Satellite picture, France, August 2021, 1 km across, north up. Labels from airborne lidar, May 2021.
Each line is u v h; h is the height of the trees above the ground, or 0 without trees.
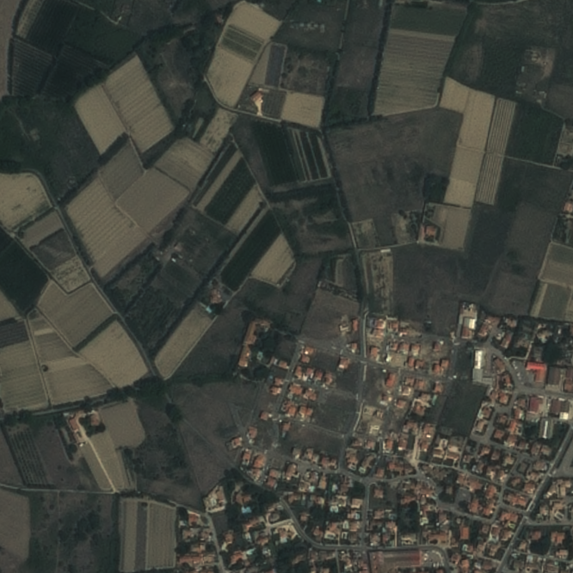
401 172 0
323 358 0
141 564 0
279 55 0
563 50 0
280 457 0
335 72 12
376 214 0
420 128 0
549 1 0
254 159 0
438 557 0
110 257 0
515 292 0
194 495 0
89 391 0
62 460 0
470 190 0
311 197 11
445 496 13
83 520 9
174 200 0
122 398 25
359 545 0
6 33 0
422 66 0
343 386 0
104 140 0
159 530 0
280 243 0
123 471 0
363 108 0
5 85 0
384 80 0
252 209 0
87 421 8
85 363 0
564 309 0
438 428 7
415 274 0
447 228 0
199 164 0
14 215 0
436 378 0
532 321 9
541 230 0
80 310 0
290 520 0
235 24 0
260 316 6
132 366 0
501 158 0
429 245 0
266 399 0
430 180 12
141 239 0
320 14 0
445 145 0
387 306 0
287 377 0
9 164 18
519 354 7
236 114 0
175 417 24
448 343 0
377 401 0
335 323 0
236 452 0
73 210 0
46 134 0
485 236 0
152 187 0
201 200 0
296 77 0
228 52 0
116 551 6
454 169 0
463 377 0
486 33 0
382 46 11
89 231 0
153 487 0
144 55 7
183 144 0
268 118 0
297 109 0
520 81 0
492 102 0
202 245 0
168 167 0
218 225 0
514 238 0
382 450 0
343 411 0
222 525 0
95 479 0
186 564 8
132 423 0
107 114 0
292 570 9
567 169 10
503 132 0
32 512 0
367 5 0
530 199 0
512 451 0
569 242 0
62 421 12
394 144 0
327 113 14
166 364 0
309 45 0
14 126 0
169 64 0
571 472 0
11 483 0
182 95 0
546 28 0
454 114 0
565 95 0
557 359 13
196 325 0
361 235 0
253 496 6
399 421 0
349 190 0
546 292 0
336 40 0
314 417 0
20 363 0
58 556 0
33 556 0
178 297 0
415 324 0
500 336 0
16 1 0
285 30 0
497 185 0
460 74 0
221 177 0
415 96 0
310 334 0
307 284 0
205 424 0
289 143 8
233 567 8
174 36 22
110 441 0
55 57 12
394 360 0
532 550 12
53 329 0
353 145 0
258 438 0
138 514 0
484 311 7
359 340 0
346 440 0
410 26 0
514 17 0
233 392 0
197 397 0
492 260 0
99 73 18
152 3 0
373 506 0
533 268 0
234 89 0
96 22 6
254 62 0
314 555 0
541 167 0
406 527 9
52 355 0
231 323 0
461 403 0
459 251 0
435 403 0
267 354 14
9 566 0
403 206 0
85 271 0
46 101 7
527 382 0
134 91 0
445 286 0
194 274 0
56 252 0
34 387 0
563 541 6
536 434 10
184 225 0
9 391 0
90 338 6
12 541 0
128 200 0
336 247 0
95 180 0
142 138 0
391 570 0
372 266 0
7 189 0
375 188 0
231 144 0
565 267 0
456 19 0
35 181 0
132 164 0
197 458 0
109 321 6
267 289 0
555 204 0
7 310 0
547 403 0
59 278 0
